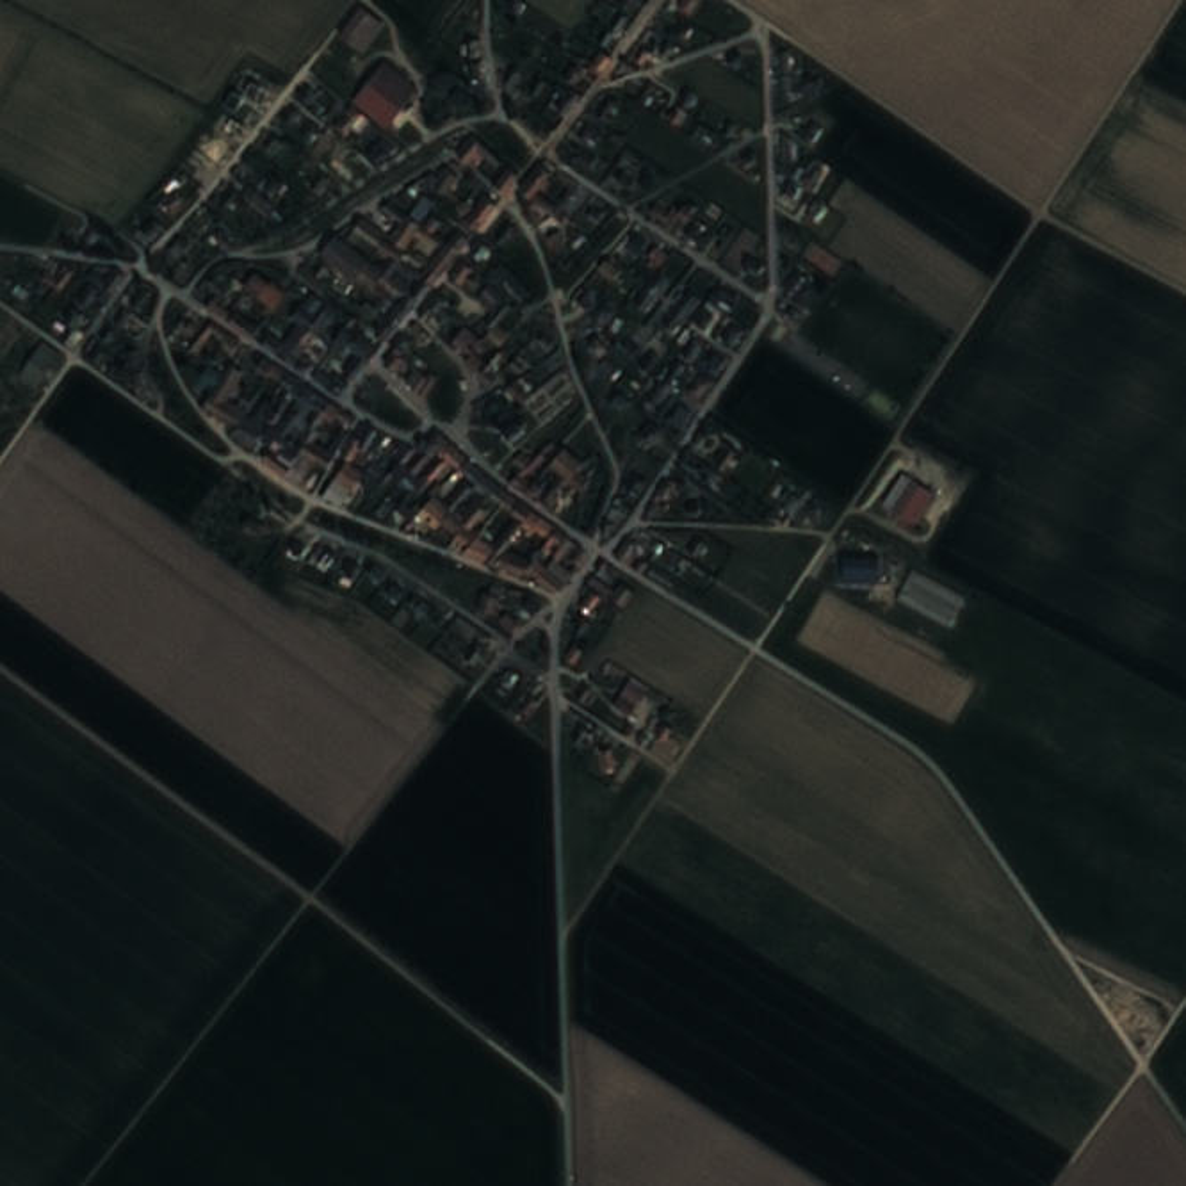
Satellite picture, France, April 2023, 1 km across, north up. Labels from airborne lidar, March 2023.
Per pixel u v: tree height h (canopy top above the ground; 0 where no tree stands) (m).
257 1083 0
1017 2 0
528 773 0
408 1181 0
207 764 0
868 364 0
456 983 0
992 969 0
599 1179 0
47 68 0
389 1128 0
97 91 0
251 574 6
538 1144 0
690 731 0
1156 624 0
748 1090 0
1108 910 0
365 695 0
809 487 0
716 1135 0
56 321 0
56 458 0
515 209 0
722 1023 0
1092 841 0
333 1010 0
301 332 0
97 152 0
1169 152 0
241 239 6
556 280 0
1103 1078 0
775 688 0
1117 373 0
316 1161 0
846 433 0
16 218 0
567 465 0
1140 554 0
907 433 0
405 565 0
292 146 6
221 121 0
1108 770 0
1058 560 0
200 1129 0
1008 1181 0
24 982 0
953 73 0
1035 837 0
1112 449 0
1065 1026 0
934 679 0
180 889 0
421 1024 0
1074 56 0
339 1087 0
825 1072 0
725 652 0
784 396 0
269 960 0
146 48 0
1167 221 0
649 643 0
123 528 0
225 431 0
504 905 0
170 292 0
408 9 0
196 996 0
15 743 0
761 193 0
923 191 0
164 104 0
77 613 0
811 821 0
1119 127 0
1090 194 0
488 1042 0
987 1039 0
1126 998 0
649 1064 0
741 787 0
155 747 0
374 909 0
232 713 0
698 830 0
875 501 0
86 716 0
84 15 0
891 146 0
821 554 0
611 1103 0
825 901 0
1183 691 0
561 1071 0
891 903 0
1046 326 0
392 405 0
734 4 0
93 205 0
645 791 0
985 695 0
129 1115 0
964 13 0
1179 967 0
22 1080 0
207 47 0
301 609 0
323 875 0
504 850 0
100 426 0
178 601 0
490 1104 0
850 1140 0
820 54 0
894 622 0
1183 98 0
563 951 0
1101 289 0
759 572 0
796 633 0
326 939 0
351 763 0
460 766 0
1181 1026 0
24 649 0
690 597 0
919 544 0
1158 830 0
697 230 0
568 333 0
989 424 0
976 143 0
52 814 0
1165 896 0
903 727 0
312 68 0
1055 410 0
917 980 0
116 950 0
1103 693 0
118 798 0
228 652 0
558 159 0
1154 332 0
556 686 0
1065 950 0
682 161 0
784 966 0
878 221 0
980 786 0
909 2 0
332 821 0
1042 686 0
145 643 0
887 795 0
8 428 0
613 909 0
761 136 0
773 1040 0
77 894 0
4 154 0
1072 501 0
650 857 0
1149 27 0
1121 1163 0
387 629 0
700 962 0
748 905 0
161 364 11
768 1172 0
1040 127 0
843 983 0
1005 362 0
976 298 0
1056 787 0
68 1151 0
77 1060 0
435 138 0
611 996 0
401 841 0
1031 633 0
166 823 0
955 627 0
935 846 0
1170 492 0
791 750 0
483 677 0
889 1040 0
